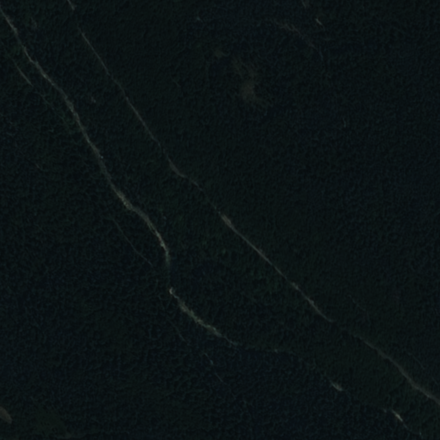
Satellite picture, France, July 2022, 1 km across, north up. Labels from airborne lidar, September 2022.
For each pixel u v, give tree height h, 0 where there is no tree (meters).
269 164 20
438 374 24
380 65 9
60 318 28
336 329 28
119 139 30
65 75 19
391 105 17
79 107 27
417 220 25
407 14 17
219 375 25
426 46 14
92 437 21
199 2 22
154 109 25
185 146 24
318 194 15
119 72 25
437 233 15
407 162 17
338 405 25
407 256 22
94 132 27
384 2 16
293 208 22
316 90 14
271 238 19
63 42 34
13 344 29
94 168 37
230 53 23
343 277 22
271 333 26
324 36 20
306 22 21
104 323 27
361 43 12
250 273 27
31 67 26
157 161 27
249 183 20
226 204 19
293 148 15
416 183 22
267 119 26
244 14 34
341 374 31
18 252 24
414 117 16
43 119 32
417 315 13
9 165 34
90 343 19
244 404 19
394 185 21
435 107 20
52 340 33
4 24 30
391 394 28
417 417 26
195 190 27
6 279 26
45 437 7
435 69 14
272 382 15
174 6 19
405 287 17
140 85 23
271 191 21
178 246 29
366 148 13
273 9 22
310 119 18
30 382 18
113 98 26
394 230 8
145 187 27
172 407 16
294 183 19
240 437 29
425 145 16
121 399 12
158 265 25
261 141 20
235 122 20
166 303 23
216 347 36
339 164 8
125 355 29
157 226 25
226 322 19
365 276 20
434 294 13
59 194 31
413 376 14
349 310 18
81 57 33
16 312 24
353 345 27
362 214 23
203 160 14
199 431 27
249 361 15
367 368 30
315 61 32
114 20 24
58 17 27
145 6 28
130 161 27
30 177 27
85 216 34
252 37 39
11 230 27
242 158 22
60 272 30
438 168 22
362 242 17
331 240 16
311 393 19
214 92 20
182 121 23
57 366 8
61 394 18
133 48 22
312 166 11
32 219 19
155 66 20
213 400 30
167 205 23
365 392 24
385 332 28
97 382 25
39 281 10
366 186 12
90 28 24
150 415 14
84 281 30
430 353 23
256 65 25
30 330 30
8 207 13
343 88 14
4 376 29
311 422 22
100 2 30
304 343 24
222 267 27
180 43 26
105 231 35
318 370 20
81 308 18
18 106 35
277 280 27
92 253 26
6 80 33
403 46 20
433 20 21
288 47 23
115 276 28
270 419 22
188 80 26
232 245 28
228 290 15
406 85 25
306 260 22
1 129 16
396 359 16
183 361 13
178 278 24
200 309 33
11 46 32
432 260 11
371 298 19
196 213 29
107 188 30
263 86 17
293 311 28
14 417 17
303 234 21
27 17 24
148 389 17
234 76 28
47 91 23
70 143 24
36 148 22
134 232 23
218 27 26
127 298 28
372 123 15
